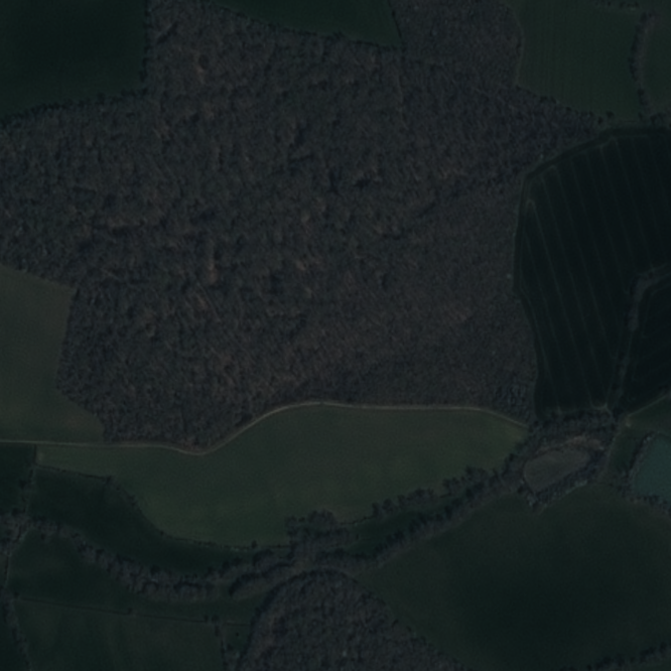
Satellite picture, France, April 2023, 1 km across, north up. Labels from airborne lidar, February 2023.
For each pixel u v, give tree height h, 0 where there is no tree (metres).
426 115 23
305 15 0
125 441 11
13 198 22
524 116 21
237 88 19
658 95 0
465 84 20
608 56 0
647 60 0
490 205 24
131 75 0
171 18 15
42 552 0
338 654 15
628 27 0
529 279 0
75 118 20
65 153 20
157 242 27
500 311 16
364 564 17
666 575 0
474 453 0
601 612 0
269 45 24
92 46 0
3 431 0
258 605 0
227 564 0
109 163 12
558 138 17
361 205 22
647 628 0
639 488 0
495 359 17
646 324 0
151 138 21
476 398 13
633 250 0
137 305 17
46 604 0
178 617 0
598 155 0
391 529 0
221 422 15
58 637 0
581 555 0
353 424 0
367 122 24
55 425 0
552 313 0
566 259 0
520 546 0
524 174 8
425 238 19
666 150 0
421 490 0
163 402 21
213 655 0
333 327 23
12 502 0
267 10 0
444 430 0
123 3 0
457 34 18
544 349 0
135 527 0
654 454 0
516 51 12
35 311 0
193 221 14
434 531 21
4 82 0
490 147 18
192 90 25
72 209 22
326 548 22
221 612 0
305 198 26
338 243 24
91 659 0
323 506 0
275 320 9
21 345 0
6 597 18
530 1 0
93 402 15
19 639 12
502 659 0
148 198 15
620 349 0
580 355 0
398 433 0
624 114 0
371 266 14
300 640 15
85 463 0
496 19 16
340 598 22
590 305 0
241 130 24
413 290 20
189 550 0
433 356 18
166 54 16
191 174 24
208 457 0
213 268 27
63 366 12
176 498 0
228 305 25
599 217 0
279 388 19
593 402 0
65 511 0
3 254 18
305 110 16
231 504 0
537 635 0
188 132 26
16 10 0
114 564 16
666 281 0
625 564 0
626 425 13
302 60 16
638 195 0
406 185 21
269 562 23
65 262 18
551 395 0
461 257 16
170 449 0
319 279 22
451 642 0
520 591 0
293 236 21
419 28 17
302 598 18
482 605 0
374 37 0
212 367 24
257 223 23
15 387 0
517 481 21
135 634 0
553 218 0
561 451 0
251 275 27
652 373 0
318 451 0
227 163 21
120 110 20
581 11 0
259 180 21
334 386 16
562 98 0
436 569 0
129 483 0
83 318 15
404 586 0
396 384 22
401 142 22
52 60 0
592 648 0
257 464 0
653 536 0
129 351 21
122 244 22
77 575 0
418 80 23
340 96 16
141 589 16
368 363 21
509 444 0
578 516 0
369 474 0
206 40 17
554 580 0
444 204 22
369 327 21
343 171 21
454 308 23
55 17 0
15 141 21
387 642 15
